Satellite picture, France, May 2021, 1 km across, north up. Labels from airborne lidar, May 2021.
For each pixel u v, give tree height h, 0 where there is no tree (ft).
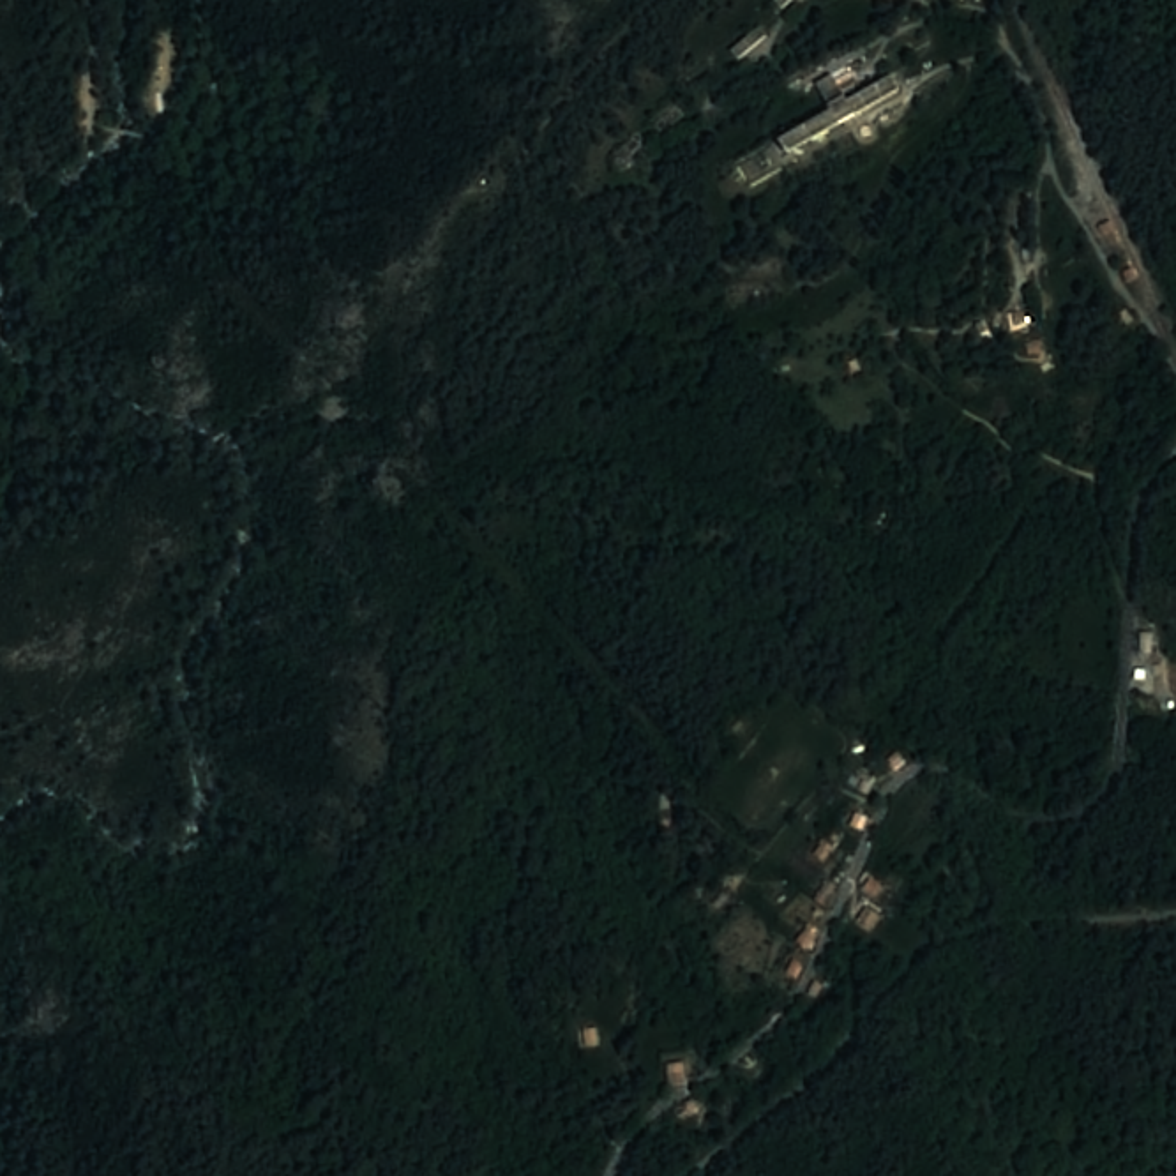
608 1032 0
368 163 54
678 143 65
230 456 71
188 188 47
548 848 45
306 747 35
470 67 41
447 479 59
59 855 50
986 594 49
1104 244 0
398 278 0
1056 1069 58
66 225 66
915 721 55
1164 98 71
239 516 115
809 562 79
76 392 104
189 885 65
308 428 48
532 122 34
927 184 47
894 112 0
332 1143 65
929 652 51
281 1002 28
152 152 75
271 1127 57
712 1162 29
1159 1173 52
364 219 44
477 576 92
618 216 91
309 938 31
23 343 90
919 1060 75
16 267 76
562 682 42
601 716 57
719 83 42
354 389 45
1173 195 75
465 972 44
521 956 47
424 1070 61
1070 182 0
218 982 44
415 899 58
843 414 0
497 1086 35
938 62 0
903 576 61
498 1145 44
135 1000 62
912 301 52
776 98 47
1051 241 0
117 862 54
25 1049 45
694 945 55
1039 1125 57
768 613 58
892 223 64
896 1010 67
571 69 70
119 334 40
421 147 36
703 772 55
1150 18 47
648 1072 66
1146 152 70
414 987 86
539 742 47
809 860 0
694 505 62
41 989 24
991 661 52
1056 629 34
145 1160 64
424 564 45
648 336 32
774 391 84
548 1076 35
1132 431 49
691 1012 59
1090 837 70
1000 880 71
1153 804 33
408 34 44
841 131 0
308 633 24
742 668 79
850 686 102
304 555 27
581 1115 43
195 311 26
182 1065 28
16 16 36
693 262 93
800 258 69
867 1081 83
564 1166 59
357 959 60
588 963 85
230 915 57
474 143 33
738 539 62
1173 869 56
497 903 48
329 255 32
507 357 81
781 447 48
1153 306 0
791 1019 35
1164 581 24
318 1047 35
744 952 0
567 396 92
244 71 35
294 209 56
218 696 68
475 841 39
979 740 74
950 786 71
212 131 56
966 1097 50
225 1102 63
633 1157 62
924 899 62
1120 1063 68
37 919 35
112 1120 37
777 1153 60
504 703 73
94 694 19
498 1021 58
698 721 80
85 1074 58
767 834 29
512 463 62
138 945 65
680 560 61
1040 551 50
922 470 51
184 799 67
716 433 89
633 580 57
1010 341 61
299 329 25
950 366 41
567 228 75
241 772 22
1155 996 76
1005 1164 54
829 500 57
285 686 38
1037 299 38
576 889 62
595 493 81
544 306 31
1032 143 32
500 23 66
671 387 78
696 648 103
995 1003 68
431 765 88
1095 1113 41
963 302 60
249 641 41
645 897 71
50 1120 52
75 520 31
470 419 42
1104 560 52
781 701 43
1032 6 52
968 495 39
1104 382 30
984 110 29
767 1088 46
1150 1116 43
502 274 67
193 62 56
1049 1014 59
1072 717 61
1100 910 53
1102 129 77
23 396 24
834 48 63
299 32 39
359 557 23
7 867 33
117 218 72
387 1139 48
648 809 39
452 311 60
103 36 100
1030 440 37
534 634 53
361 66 57
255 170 47
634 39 62
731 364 94
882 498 25
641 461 75
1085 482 35
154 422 107
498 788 64
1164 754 52
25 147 87
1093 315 64
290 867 42
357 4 44
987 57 41
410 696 75
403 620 46
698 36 0
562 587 52
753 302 44
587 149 84
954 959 78
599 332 55
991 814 58
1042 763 35
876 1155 79
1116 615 40
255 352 45
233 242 93
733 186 0
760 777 0
